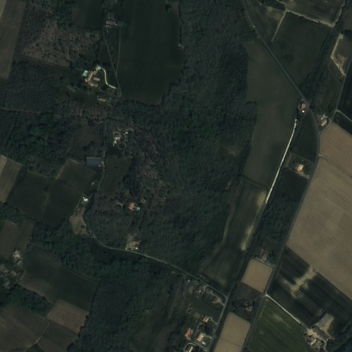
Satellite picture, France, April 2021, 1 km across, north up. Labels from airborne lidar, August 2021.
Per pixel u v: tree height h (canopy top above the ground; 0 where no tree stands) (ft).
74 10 38
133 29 0
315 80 28
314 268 0
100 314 48
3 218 58
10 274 22
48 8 48
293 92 0
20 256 0
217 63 74
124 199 49
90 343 48
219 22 62
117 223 65
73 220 0
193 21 64
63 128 41
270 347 0
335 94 0
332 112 20
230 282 0
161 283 42
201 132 70
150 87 0
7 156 42
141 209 27
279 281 0
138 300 65
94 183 0
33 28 18
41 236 57
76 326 0
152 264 25
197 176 60
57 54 34
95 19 0
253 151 0
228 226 0
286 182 0
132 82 0
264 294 0
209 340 0
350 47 0
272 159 0
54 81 22
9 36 0
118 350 80
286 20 0
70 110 40
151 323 0
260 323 0
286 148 0
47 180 0
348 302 0
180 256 19
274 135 0
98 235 60
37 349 29
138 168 51
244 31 43
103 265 52
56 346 0
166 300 0
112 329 41
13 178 0
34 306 62
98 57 33
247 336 0
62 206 0
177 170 59
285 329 0
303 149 0
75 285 0
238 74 31
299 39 0
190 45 63
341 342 66
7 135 39
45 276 0
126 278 53
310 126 0
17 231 0
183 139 22
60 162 52
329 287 0
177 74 0
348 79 0
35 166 57
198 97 58
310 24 33
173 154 62
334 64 0
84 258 90
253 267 0
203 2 63
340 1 0
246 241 0
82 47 35
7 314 0
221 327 0
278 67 0
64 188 0
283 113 0
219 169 68
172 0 49
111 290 54
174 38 0
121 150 23
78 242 86
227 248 0
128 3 0
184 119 73
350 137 0
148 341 0
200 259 31
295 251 0
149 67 0
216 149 64
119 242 67
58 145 34
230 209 57
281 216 20
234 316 0
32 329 0
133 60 0
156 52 0
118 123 65
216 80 54
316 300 0
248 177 0
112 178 0
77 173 0
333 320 0
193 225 47
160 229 64
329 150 0
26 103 43
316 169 0
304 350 0
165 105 60
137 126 77
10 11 0
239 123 68
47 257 0
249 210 0
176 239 56
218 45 69
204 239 48
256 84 0
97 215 70
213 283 34
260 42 0
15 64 37
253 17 0
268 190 0
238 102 57
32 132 91
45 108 52
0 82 0
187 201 64
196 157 53
